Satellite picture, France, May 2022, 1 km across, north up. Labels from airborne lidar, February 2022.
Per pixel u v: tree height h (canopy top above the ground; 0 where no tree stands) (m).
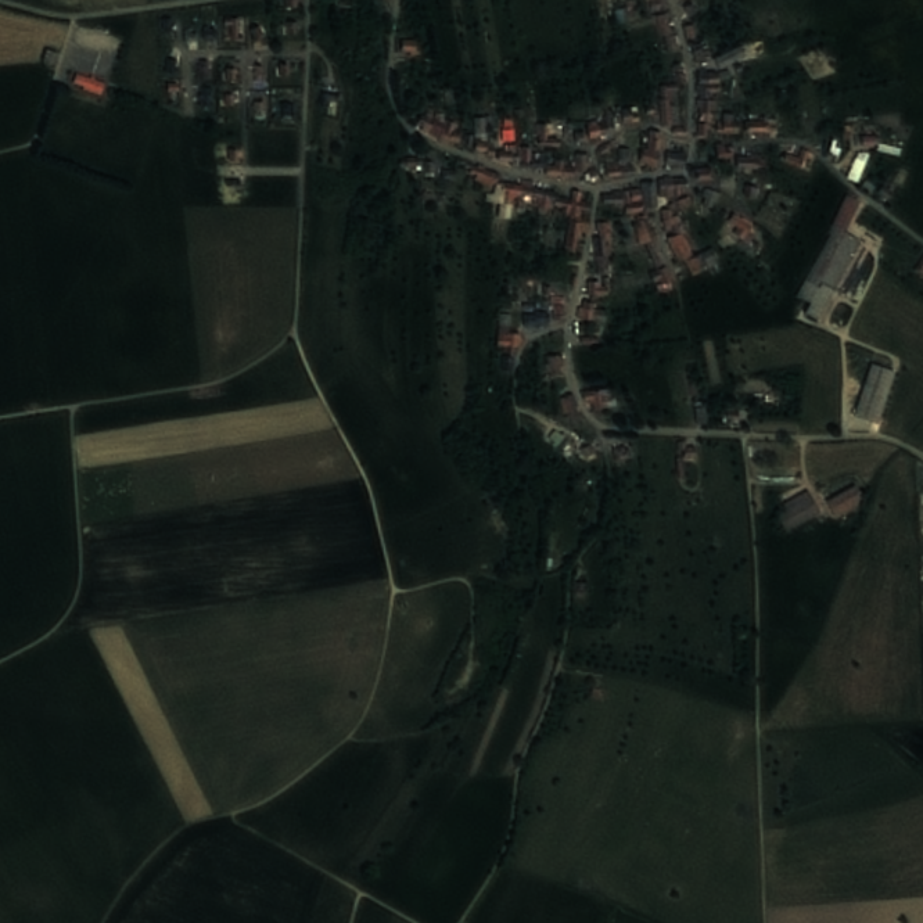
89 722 0
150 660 0
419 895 0
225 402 0
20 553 0
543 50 0
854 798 0
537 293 0
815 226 0
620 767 0
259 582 0
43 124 12
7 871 0
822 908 0
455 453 7
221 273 0
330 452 0
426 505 0
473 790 0
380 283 0
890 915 0
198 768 0
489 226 0
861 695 0
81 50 0
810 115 0
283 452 0
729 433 0
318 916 0
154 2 0
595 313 0
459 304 0
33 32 0
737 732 0
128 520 0
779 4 0
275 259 0
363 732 0
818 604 0
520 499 9
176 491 0
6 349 0
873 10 0
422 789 0
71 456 0
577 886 0
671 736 0
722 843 0
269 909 0
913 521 0
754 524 0
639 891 0
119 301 0
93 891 0
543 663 0
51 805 0
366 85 11
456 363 0
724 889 0
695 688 0
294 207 0
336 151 14
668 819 0
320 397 0
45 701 0
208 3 0
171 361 0
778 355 0
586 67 14
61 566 0
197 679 0
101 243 0
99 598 0
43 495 0
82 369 0
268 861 0
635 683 0
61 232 0
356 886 0
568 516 0
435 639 0
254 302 0
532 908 0
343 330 0
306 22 0
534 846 0
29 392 0
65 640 0
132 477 0
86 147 0
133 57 0
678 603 0
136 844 0
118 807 0
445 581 0
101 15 0
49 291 0
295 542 0
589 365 0
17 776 0
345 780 0
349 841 0
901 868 0
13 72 0
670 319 0
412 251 0
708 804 0
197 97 0
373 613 0
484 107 0
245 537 0
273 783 0
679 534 0
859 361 0
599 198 0
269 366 0
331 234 0
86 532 0
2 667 0
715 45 0
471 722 0
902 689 0
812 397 0
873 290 0
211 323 0
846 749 0
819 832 0
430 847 0
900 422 0
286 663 0
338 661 0
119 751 0
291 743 0
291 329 0
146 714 0
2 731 0
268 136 0
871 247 0
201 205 0
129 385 0
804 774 0
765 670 0
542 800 0
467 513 0
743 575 0
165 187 0
